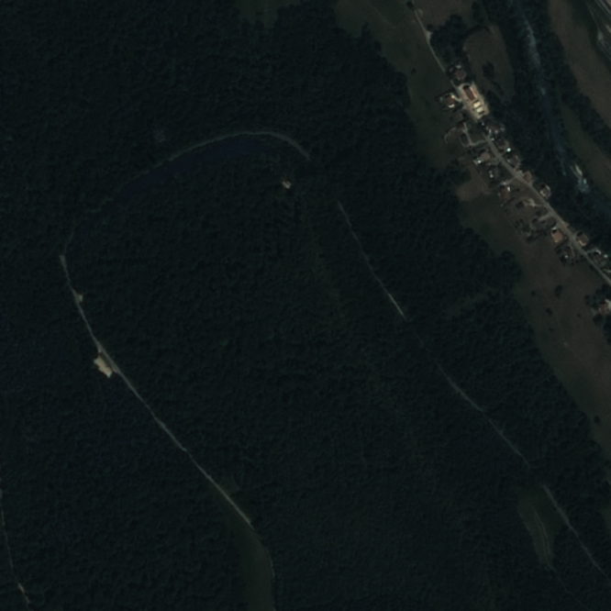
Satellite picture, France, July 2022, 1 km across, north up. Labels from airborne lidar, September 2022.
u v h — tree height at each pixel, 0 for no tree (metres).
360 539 17
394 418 16
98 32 23
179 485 22
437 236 24
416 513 20
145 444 20
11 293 12
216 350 22
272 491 19
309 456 16
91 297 18
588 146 0
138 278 22
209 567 25
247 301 19
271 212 12
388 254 22
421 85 0
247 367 17
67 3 28
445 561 23
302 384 22
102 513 19
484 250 26
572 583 19
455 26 17
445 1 0
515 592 13
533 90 25
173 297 19
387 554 16
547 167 30
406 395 24
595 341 0
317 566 19
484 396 22
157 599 22
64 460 24
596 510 14
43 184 23
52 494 19
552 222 0
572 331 0
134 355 22
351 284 18
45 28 28
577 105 12
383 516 15
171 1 29
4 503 9
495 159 0
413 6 12
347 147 6
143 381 16
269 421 17
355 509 19
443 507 17
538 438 20
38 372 31
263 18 0
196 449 28
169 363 17
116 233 25
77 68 28
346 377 15
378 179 22
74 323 23
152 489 17
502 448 26
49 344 28
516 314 11
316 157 26
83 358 26
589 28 0
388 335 26
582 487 30
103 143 32
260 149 39
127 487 21
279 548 12
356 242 21
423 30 0
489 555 22
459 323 12
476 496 19
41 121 20
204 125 24
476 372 11
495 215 0
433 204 21
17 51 21
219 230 20
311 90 25
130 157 27
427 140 0
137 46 6
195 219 23
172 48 30
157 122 20
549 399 21
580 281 0
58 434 27
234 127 19
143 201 22
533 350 18
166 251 23
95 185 26
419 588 16
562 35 0
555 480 12
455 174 19
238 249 23
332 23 18
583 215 9
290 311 17
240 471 24
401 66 0
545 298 0
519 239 0
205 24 29
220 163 17
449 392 15
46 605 27
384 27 0
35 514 18
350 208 21
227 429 18
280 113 30
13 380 26
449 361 24
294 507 18
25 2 24
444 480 19
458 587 19
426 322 24
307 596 19
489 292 0
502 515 28
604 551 19
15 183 20
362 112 12
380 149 31
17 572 13
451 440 20
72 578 24
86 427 29
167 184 20
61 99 33
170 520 18
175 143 29
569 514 18
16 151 30
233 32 24
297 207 12
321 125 22
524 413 19
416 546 20
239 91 8
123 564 23
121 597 23
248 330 20
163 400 12
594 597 17
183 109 31
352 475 17
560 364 0
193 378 21
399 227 23
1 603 14
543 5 21
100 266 27
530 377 19
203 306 20
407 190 20
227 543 22
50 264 21
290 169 43
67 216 25
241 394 20
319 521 18
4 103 18
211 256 21
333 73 28
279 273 13
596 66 0
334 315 15
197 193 26
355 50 28
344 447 22
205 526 25
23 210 23
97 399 31
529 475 29
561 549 17
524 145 24
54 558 24
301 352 23
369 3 0
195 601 19
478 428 25
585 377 0
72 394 24
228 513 0
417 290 24
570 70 18
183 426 21
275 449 19
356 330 17
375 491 17
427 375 24
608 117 0
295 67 27
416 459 14
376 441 20
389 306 18
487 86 0
